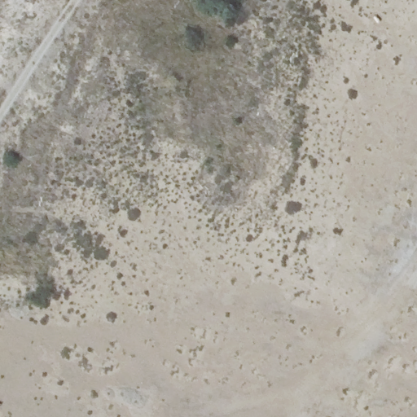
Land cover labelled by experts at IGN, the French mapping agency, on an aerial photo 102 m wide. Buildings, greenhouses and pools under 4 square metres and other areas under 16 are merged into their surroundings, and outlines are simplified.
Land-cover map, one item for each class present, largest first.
<instances>
[{"label":"bare soil","instance_id":"1","mask_svg":"<svg viewBox=\"0 0 417 417\"><path fill-rule=\"evenodd\" d=\"M103 0H0V106L11 86L15 85L18 75L28 64L31 54L41 46L42 39L49 33L52 23L64 21L65 24L73 15L78 16L80 23L88 24L85 13H98L99 3ZM324 5L327 8V15L336 20V31H331V23L324 26L319 37L321 60L316 62L314 54L308 55L311 70L308 86L301 90L296 98L298 103L308 106L305 119L308 124L305 129L308 140L301 143L300 153L314 156L318 160L316 168H311L309 161H303L296 173L292 189L285 194L282 176L287 174L292 166V158H288L283 151L272 145H266L262 148V153H269L266 178L252 182L246 194V204L225 205L212 223L207 222L205 213H199V208L205 204L207 197H200V202L191 200V195L195 194L194 189L187 187V182L182 181L181 174L178 176L179 187L169 184L168 194L158 195L161 204L171 199L179 200L178 204L169 205V215H155V207L143 205L137 220H129L127 212L121 210L116 213V223L112 225V230L106 228V220L98 223V233L104 236L103 248L108 249L109 257L117 262L116 267L108 266L104 261L99 262L98 269L91 270L90 277L75 287V295L50 300L47 308L24 306L0 313V417H417V0H326Z\"/></svg>","mask_w":417,"mask_h":417},{"label":"herbaceous vegetation","instance_id":"2","mask_svg":"<svg viewBox=\"0 0 417 417\"><path fill-rule=\"evenodd\" d=\"M326 0H244L243 8L249 15V20L228 26L218 15H197V0H103L99 3L98 13H85L88 24L80 23L78 16L73 15L65 24L60 36L55 37L52 42L49 54L42 57L41 64L33 73V77L29 78L28 85H24L18 99L0 124V313L24 306L47 308L50 300L75 295V287L90 277L91 270L98 269L99 262L104 261L108 266L116 267L117 262L109 257L108 249L103 248L104 236L98 233V223L106 220V228L112 230V225L116 223V213L121 210L127 212L129 220H137L143 205L155 207V215H169V205L178 204L179 200L171 199L161 204L158 195L168 194L169 184L179 187L178 176L181 174L182 181L187 182V187L194 189L195 194L191 195V200L200 202V197H207L205 204L199 208V213H205L207 222L212 223L225 205L246 204V194L252 182L266 178L269 153H262V148L266 145H272L283 151L288 158H292V166L287 174L282 176L285 194L292 189L296 173L303 161H309L311 168H316L318 160L314 156L300 153L301 143L308 140L305 129L308 124L305 119L308 106L298 103L296 98L301 90L308 86L311 70L308 55L314 54L316 62L321 60L319 37L324 26L331 23V31H336V20L327 15V8L324 5ZM187 26H200V28H202V31H204V41H202V44H191V42H189L186 33Z\"/></svg>","mask_w":417,"mask_h":417},{"label":"brushwood","instance_id":"3","mask_svg":"<svg viewBox=\"0 0 417 417\"><path fill-rule=\"evenodd\" d=\"M244 0H197V15H218L228 26L249 20V15L243 8ZM186 33L189 42H191V44H202V41H204V31H202V28H200V26H187Z\"/></svg>","mask_w":417,"mask_h":417},{"label":"pervious surface","instance_id":"4","mask_svg":"<svg viewBox=\"0 0 417 417\"><path fill-rule=\"evenodd\" d=\"M65 24L64 21L52 23L49 33L42 39L41 46L31 54L28 64L18 75L15 85L11 86L0 106V124L18 99L24 85H28L29 78L33 77V73L41 64L42 57L49 54L52 42L55 37L60 36Z\"/></svg>","mask_w":417,"mask_h":417}]
</instances>
